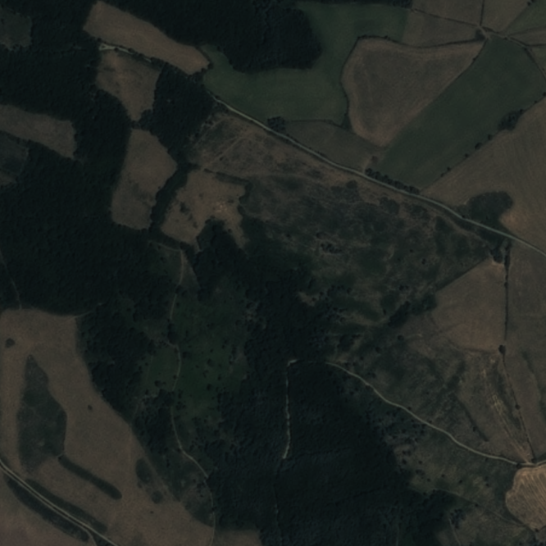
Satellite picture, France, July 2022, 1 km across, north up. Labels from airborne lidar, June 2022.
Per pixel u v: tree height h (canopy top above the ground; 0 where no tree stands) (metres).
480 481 0
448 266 0
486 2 0
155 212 14
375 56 0
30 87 18
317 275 0
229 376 0
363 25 0
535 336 0
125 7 13
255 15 18
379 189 0
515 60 0
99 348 11
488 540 0
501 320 0
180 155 15
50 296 10
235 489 17
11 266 11
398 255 0
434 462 0
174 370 0
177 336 17
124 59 0
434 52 0
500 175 0
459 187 0
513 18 0
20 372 0
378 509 9
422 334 0
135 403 0
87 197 14
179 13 19
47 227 6
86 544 0
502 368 0
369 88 0
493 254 13
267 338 16
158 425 12
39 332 0
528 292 0
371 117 0
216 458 12
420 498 16
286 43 17
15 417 0
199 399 0
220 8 10
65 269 19
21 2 17
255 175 0
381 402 6
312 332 8
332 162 0
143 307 13
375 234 0
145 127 14
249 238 0
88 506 0
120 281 17
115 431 0
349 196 0
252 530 0
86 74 14
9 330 0
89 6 13
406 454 12
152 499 0
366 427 13
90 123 16
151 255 8
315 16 0
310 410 14
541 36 0
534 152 0
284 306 18
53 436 0
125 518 0
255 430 16
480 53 0
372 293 0
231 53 16
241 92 0
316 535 21
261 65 12
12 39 0
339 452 16
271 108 0
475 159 0
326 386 10
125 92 0
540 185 0
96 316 6
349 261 0
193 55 0
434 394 0
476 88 0
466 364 0
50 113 8
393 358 0
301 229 0
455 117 0
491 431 0
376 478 10
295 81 0
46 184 18
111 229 20
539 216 0
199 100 15
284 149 0
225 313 0
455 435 0
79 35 13
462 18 0
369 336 0
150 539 0
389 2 14
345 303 0
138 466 0
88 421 0
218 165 0
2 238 8
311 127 0
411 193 10
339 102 0
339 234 0
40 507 0
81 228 19
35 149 15
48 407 0
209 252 9
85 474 0
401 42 0
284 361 22
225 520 13
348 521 16
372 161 0
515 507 0
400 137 0
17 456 0
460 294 0
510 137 0
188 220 0
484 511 0
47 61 15
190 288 0
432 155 0
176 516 0
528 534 0
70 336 0
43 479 0
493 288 0
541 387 0
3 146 0
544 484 0
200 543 0
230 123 0
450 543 0
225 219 0
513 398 0
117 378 18
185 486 0
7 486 0
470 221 0
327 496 10
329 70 0
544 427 0
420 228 0
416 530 18
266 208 0
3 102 12
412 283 0
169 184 12
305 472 20
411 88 0
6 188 8
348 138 0
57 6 14
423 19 0
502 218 0
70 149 0
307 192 0
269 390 15
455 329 0
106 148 19
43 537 0
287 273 7
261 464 18
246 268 20
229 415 15
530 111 0
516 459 0
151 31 0
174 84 16
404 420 10
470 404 0
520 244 0
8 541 0
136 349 15
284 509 12
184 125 11
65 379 0
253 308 17
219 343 0
